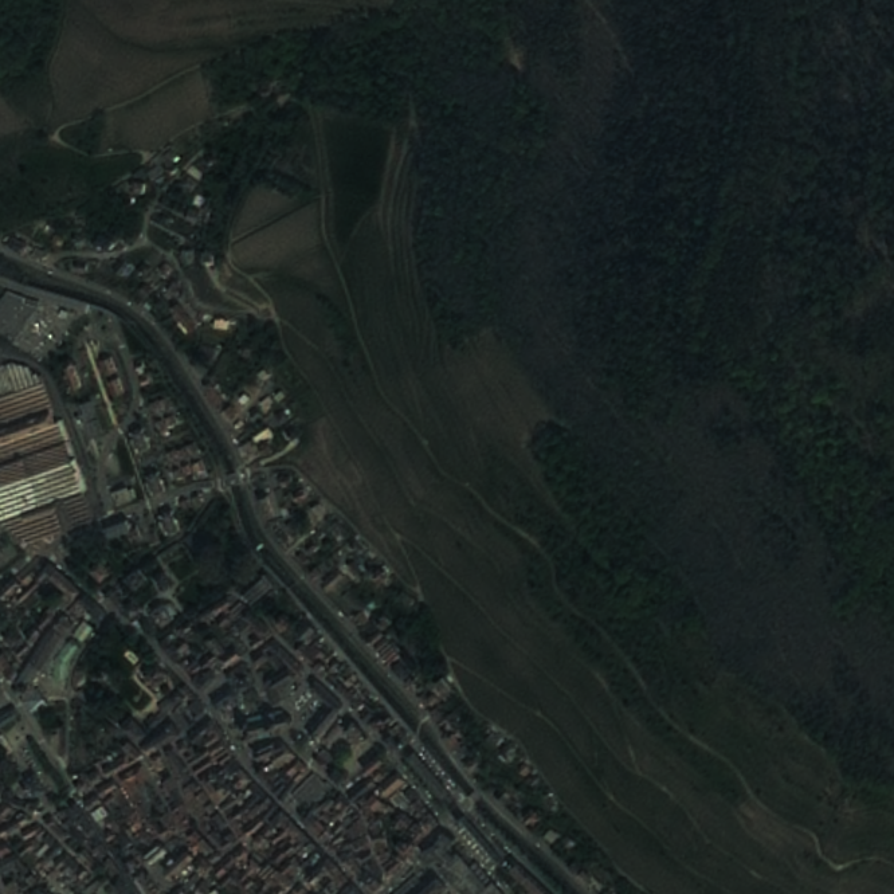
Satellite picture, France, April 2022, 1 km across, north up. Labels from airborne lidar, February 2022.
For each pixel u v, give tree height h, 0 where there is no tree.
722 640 17
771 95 16
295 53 18
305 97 23
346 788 0
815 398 24
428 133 24
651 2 21
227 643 0
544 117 22
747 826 0
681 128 18
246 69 12
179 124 0
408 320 0
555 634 0
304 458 0
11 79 14
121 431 0
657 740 0
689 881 0
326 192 0
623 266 22
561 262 26
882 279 24
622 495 21
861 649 21
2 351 0
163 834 0
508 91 26
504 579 0
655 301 20
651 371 18
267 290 0
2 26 10
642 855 0
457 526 0
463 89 28
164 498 0
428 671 15
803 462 17
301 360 0
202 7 0
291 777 0
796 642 22
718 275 16
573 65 23
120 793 0
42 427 0
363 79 27
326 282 0
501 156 22
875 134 24
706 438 18
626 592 23
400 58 27
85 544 12
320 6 0
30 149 0
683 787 0
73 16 0
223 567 38
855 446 23
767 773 0
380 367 0
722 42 19
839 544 10
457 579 0
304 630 0
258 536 0
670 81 24
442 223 21
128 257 0
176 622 10
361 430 0
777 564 23
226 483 0
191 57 0
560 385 20
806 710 18
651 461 22
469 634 0
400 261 0
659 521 24
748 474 17
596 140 26
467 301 22
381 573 0
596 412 19
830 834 0
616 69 18
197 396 0
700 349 20
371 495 0
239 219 0
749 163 15
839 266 25
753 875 0
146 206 7
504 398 0
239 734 0
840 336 13
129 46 0
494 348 0
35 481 0
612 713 0
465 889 0
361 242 0
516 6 24
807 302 13
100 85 0
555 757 0
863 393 15
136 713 0
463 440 0
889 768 20
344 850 0
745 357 20
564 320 26
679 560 24
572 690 0
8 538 8
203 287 0
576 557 13
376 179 0
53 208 9
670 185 22
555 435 18
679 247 22
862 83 27
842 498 17
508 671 0
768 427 22
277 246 0
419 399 0
